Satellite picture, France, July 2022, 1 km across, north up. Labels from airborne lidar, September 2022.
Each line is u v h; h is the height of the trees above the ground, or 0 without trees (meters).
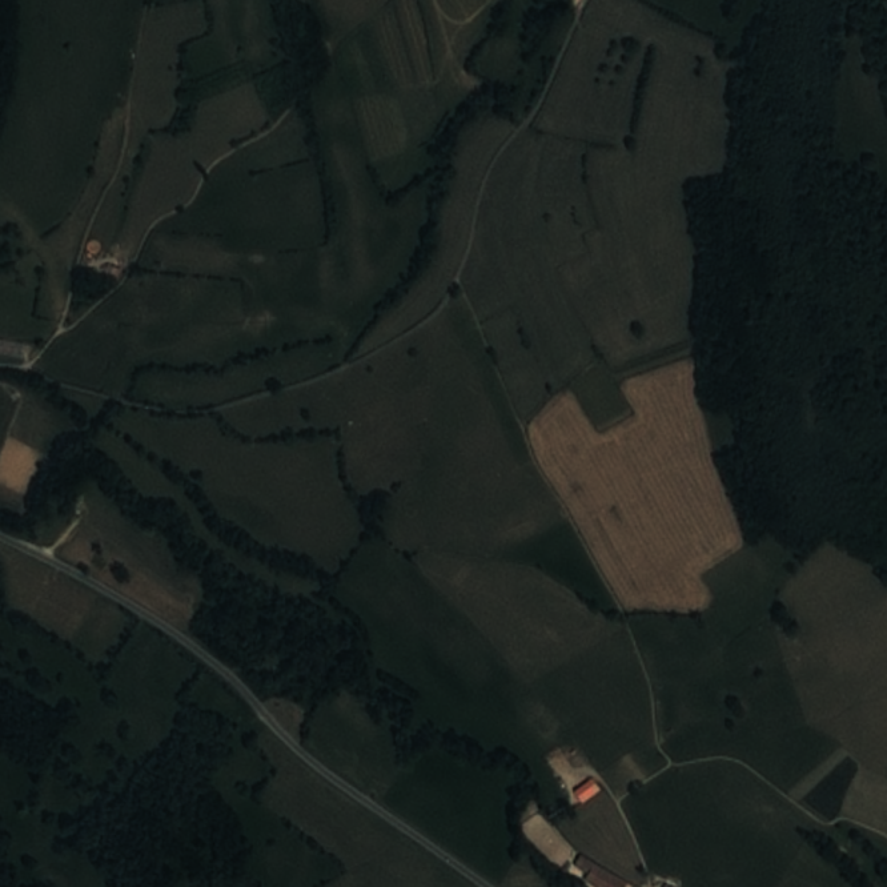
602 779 0
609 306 0
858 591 0
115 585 0
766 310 14
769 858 0
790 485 6
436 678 0
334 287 0
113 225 0
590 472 0
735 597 0
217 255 0
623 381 0
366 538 10
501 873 0
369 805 0
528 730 0
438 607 0
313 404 0
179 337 0
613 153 0
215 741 22
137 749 0
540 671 0
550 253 0
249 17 0
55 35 0
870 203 17
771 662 0
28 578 0
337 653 9
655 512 0
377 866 0
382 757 0
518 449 0
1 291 0
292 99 10
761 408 13
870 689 0
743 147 19
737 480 15
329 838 0
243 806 0
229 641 21
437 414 0
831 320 7
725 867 0
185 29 0
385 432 0
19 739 21
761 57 18
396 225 0
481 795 0
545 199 0
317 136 10
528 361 0
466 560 0
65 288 0
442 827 0
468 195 0
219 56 0
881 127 0
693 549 0
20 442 0
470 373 0
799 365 6
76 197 0
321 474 0
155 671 0
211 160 0
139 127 0
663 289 0
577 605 0
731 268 23
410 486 0
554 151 0
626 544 0
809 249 8
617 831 0
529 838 29
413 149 0
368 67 0
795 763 0
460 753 21
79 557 0
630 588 0
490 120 0
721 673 0
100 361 0
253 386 0
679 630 0
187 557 19
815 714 0
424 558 0
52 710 20
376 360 0
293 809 0
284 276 0
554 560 0
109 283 14
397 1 0
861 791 0
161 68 0
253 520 0
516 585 0
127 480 20
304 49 19
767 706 0
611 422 0
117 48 0
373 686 10
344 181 0
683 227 0
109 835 24
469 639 0
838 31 16
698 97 0
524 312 0
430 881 0
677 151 0
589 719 0
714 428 0
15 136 0
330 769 0
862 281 6
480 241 0
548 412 0
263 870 0
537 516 0
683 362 0
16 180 0
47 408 0
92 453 21
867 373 15
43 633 15
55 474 21
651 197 0
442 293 0
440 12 0
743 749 0
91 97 0
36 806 18
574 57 0
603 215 0
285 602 24
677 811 0
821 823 0
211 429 0
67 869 0
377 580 0
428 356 0
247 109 0
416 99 0
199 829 24
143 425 0
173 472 18
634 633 0
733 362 22
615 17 0
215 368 6
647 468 0
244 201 0
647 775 0
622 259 0
